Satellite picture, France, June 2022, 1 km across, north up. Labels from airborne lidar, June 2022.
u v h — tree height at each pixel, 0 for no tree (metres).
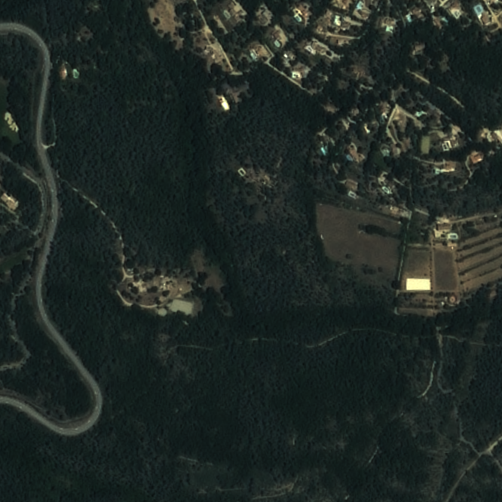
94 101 16
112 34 16
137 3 13
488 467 7
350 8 8
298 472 9
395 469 7
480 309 14
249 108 12
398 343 11
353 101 14
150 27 16
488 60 14
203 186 19
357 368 13
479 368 7
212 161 20
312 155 10
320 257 13
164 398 9
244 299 14
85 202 24
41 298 0
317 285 19
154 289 10
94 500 14
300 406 12
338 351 13
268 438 19
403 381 14
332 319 14
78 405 9
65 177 14
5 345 11
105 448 21
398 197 13
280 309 15
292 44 14
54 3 15
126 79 12
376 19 12
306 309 14
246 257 16
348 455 11
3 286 13
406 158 11
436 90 17
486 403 11
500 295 15
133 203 17
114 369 8
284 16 11
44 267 0
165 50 18
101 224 16
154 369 7
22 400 0
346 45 12
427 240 7
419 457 8
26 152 11
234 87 12
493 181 12
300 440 6
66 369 11
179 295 0
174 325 11
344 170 18
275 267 15
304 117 13
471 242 0
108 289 13
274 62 14
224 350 10
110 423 8
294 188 11
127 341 9
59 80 14
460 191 10
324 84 11
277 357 16
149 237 23
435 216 13
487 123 15
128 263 14
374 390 14
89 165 18
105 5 12
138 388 8
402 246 5
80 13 16
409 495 6
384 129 13
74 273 22
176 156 15
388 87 9
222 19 0
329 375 11
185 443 11
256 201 0
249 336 12
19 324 12
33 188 21
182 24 17
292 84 9
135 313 13
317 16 13
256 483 20
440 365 7
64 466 26
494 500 9
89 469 19
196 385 8
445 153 8
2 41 6
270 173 7
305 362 16
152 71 14
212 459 9
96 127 13
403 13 9
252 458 10
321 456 8
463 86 21
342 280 14
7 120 0
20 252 12
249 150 15
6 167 17
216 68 16
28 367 11
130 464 10
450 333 10
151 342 12
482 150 11
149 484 23
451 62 12
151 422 11
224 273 11
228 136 12
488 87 10
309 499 16
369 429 8
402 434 7
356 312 14
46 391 7
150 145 10
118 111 15
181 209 13
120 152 15
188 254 15
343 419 10
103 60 13
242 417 16
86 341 12
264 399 20
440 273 0
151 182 17
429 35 14
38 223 19
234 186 19
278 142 15
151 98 11
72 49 18
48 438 12
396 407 12
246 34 15
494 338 6
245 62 11
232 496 8
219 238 16
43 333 9
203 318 12
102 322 12
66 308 9
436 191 17
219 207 19
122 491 10
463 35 15
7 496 12
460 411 6
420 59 14
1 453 14
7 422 13
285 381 7
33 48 11
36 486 22
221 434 10
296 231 17
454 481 9
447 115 12
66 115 12
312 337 16
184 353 11
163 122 17
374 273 8
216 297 15
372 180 13
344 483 8
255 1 17
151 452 16
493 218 5
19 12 18
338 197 7
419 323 16
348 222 0
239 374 11
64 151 17
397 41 13
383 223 0
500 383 17
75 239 23
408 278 0
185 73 16
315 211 8
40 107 0
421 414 11
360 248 0
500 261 0
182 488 16
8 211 8
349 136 15
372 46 21
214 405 13
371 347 14
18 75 11
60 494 7
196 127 16
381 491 12
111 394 12
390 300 11
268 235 19
